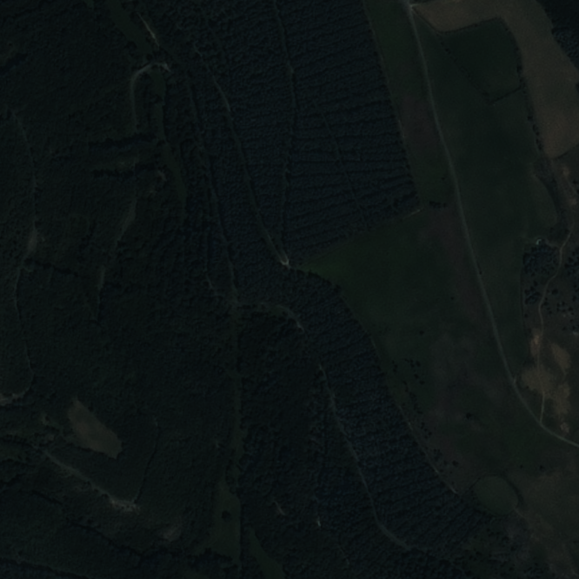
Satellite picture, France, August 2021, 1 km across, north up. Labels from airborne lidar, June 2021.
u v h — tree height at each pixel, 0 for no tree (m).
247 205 18
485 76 0
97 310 7
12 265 22
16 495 24
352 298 0
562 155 0
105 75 22
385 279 0
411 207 16
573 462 0
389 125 15
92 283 6
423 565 29
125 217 20
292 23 15
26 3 12
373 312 0
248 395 20
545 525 0
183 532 14
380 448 12
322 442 14
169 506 21
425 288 0
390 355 0
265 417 26
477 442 0
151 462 19
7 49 26
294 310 20
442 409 0
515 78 0
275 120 19
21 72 19
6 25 28
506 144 0
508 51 0
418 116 0
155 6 27
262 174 17
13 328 23
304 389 21
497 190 0
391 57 0
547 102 0
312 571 25
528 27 0
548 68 0
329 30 18
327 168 18
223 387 24
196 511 27
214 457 31
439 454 7
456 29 0
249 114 16
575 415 0
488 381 0
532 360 0
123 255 19
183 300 16
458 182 0
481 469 0
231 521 14
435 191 0
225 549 0
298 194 18
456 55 0
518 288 0
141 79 9
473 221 0
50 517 20
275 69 18
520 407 0
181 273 20
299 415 21
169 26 25
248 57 19
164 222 11
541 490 0
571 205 0
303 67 15
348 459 21
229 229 20
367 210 16
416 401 7
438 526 16
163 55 17
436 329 0
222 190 19
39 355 20
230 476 16
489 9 0
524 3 0
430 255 0
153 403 20
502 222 0
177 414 18
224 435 30
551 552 0
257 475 19
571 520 0
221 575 33
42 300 25
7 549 16
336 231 15
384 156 18
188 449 29
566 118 0
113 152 30
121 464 10
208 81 19
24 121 17
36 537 14
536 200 0
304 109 17
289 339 26
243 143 17
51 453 12
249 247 17
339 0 16
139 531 16
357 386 17
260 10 14
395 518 16
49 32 15
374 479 15
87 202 27
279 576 0
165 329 20
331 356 19
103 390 18
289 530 25
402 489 15
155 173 23
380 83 15
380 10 0
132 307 22
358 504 30
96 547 24
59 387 19
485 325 0
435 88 0
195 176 18
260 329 17
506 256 0
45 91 21
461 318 0
